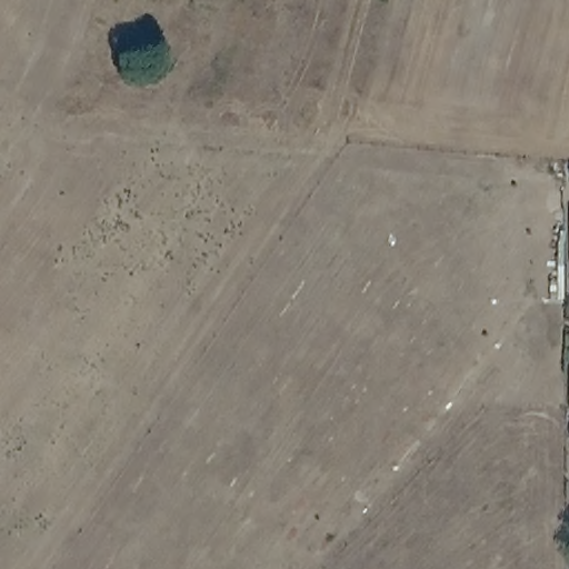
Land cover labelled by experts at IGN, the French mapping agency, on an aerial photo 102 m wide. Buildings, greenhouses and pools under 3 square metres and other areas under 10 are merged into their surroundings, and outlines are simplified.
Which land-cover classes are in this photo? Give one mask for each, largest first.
<instances>
[{"label":"agricultural land","instance_id":"1","mask_svg":"<svg viewBox=\"0 0 569 569\"><path fill-rule=\"evenodd\" d=\"M96 0H0V569H569V567L560 549V542L553 538L560 529V513L567 509L560 502V485L567 478V471L560 469L558 438L567 431V420L560 416V405L565 400V376H569V0H416L407 27V36L413 42L411 49H405L400 56L405 69L393 80L391 96L387 102L380 104L376 100H369L367 96L356 93L349 80H342L338 84L329 82L320 93L316 118L307 129L291 127L289 131H280L278 120H273V124L267 129V120L253 118L242 100L231 102V113L238 116L236 127L222 124L213 129L171 120H133L124 109L109 104H98L96 111L89 113L69 116L64 111H58L56 102L67 96L69 89L67 80L76 78L73 64H80L84 60L87 44H93L98 40V36L87 27L89 11Z\"/></svg>","mask_w":569,"mask_h":569},{"label":"herbaceous vegetation","instance_id":"2","mask_svg":"<svg viewBox=\"0 0 569 569\"><path fill-rule=\"evenodd\" d=\"M416 0H96L89 11L87 27L98 36V40L93 44H87L84 60L80 64H73L76 78L67 80L69 89L67 96L56 102L58 111H64L69 116L89 113L96 111L98 104H109L124 109L133 120H171L213 129L222 124L236 127L238 116L231 113V102L242 100L253 118L267 120V129L273 124V120H278L280 131H289L291 127L307 129L316 118L320 93L329 82L338 84L342 80H349L356 93L367 96L369 100H376L380 104L387 102L391 96L393 80L405 69L400 56L405 49H411L413 42L407 36V27ZM162 40H167L169 44V60L173 62V69L162 80L151 84L136 87L124 82L118 73L120 56L127 51L144 49L149 44H158ZM560 416L567 420V431L558 438L560 469L567 471V478L560 485V502L567 509H569V376H565V400L560 405Z\"/></svg>","mask_w":569,"mask_h":569},{"label":"deciduous trees","instance_id":"3","mask_svg":"<svg viewBox=\"0 0 569 569\"><path fill-rule=\"evenodd\" d=\"M173 69V62L169 60V44L167 40H162L158 44H149L144 49L127 51L120 56L118 73L124 82L136 87L151 84L162 80ZM553 538L560 542V549L569 567V509H567L560 513V529Z\"/></svg>","mask_w":569,"mask_h":569}]
</instances>
